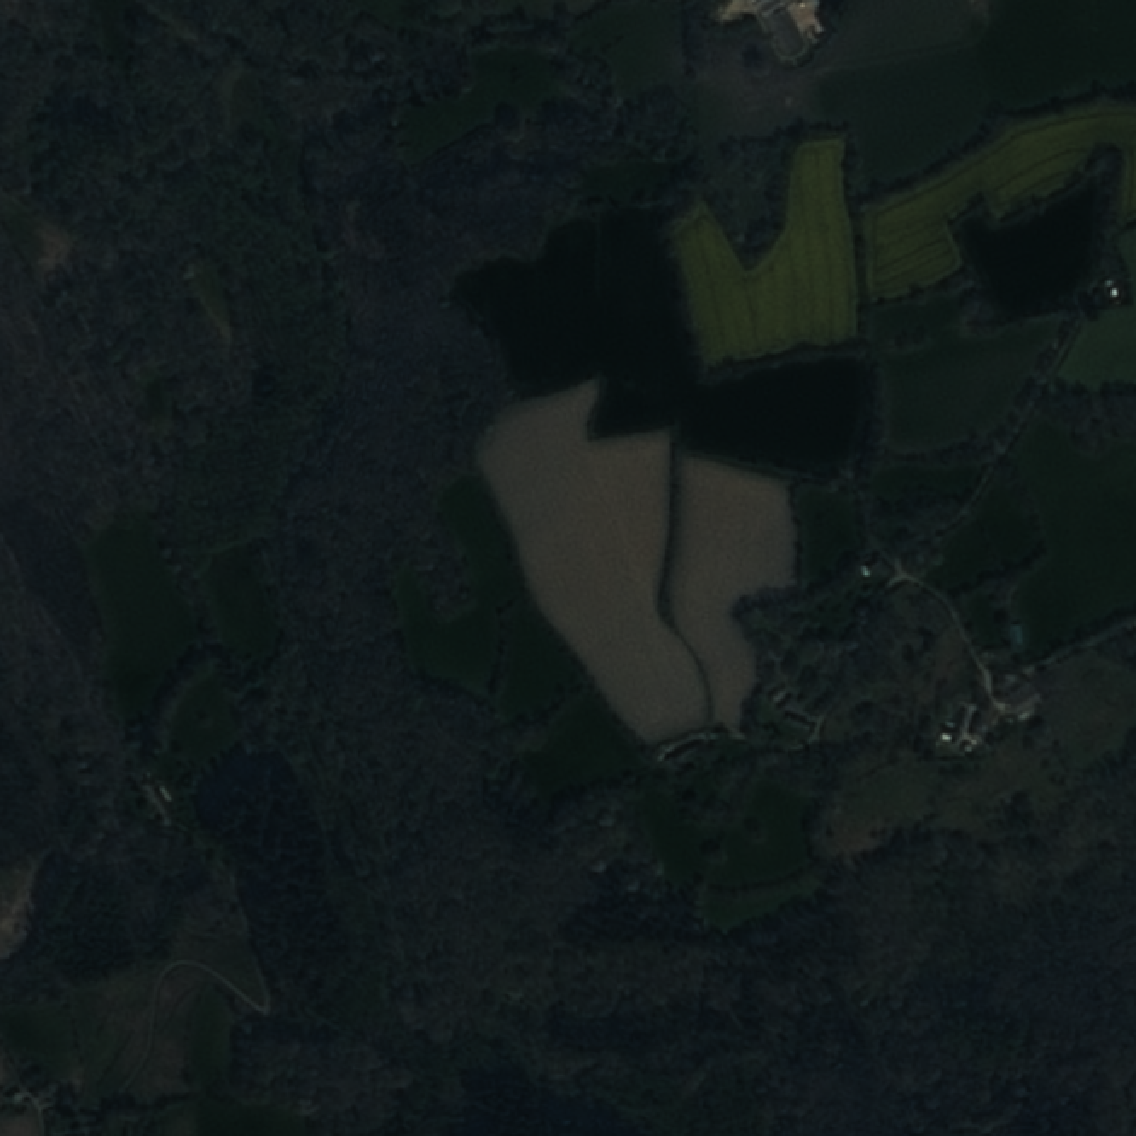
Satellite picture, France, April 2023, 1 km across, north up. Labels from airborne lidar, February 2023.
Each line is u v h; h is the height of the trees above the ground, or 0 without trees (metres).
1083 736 0
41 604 18
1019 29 0
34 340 20
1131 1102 18
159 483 23
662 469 0
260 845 42
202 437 28
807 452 0
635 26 0
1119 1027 23
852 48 0
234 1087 18
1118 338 0
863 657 18
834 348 11
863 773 0
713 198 11
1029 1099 16
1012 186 0
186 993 0
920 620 10
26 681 22
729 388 0
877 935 22
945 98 0
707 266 0
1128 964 20
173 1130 0
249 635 0
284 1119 0
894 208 0
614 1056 23
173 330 17
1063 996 22
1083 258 0
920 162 0
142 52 19
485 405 19
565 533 0
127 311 18
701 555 0
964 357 0
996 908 20
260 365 19
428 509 21
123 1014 0
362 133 22
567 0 0
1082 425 15
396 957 21
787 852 0
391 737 17
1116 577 0
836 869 16
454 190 19
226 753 0
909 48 0
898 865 24
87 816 26
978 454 13
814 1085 27
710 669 0
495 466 0
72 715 20
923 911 19
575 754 0
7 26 18
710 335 0
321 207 15
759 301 0
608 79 14
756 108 0
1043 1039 17
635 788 7
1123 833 23
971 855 25
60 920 16
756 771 16
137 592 0
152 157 9
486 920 22
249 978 0
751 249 14
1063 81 0
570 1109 7
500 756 18
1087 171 9
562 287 0
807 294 0
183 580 18
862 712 9
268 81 22
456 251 20
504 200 22
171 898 13
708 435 0
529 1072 12
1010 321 9
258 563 19
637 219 0
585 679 16
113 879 15
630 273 0
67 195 16
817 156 0
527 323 0
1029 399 13
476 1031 13
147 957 14
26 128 12
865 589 8
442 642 0
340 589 13
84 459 26
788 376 0
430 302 22
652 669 0
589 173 0
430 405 18
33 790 16
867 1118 24
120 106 25
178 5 17
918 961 6
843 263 0
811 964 22
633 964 22
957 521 13
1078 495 0
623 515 0
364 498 20
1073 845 14
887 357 0
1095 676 0
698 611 0
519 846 15
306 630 25
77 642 20
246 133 13
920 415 0
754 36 0
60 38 24
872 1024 25
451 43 16
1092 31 0
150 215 13
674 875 0
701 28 13
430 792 22
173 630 0
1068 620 0
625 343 0
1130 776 23
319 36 34
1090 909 25
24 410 22
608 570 0
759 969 11
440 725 18
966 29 0
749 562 0
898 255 0
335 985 10
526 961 20
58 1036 0
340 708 22
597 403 0
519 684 0
